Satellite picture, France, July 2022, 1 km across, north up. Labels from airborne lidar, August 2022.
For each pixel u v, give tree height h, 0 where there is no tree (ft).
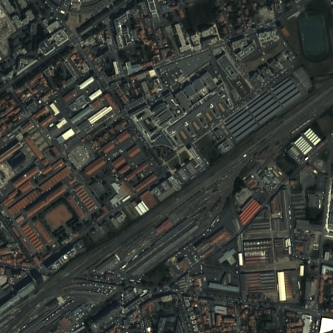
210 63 24
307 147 0
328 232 0
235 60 18
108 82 0
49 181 0
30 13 0
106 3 0
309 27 0
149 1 0
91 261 0
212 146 0
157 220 0
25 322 0
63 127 0
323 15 0
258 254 0
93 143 0
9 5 0
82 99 0
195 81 0
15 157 0
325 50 0
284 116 0
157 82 0
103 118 0
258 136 0
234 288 0
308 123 0
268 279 0
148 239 0
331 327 0
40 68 51
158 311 27
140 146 0
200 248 0
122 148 0
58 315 0
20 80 42
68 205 25
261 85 0
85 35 40
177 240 0
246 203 0
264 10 0
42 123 0
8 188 0
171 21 27
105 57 32
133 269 0
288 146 0
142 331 0
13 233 24
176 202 0
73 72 0
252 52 0
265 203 0
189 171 0
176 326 0
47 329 0
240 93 0
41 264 0
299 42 0
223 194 0
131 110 22
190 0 0
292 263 0
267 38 0
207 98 0
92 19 45
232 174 0
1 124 0
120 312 31
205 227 0
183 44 0
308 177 0
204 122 0
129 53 0
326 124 0
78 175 0
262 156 0
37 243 0
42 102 20
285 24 0
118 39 0
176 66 0
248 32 0
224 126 0
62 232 24
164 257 0
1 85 45
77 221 24
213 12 24
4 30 0
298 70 0
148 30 0
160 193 0
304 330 0
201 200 0
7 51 0
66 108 0
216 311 0
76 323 0
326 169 0
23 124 0
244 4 20
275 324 0
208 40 0
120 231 0
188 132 0
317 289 0
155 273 21
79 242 0
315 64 0
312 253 0
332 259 0
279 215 0
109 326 0
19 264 0
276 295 0
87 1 0
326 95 0
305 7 0
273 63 0
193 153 0
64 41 51
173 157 0
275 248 0
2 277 0
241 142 0
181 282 0
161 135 0
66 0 0
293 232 0
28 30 21
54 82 22
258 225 0
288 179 0
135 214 0
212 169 0
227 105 0
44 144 0
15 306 0
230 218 0
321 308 0
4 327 0
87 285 0
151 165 0
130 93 32
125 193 0
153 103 0
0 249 0
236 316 0
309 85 0
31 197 0
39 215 25
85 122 0
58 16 0
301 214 0
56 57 48
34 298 0
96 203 0
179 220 0
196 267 0
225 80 0
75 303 0
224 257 0
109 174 0
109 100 0
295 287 0
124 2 0
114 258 0
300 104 0
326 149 0
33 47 39
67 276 0
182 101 0
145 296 0
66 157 0
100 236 0
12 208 0
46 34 0
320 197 0
